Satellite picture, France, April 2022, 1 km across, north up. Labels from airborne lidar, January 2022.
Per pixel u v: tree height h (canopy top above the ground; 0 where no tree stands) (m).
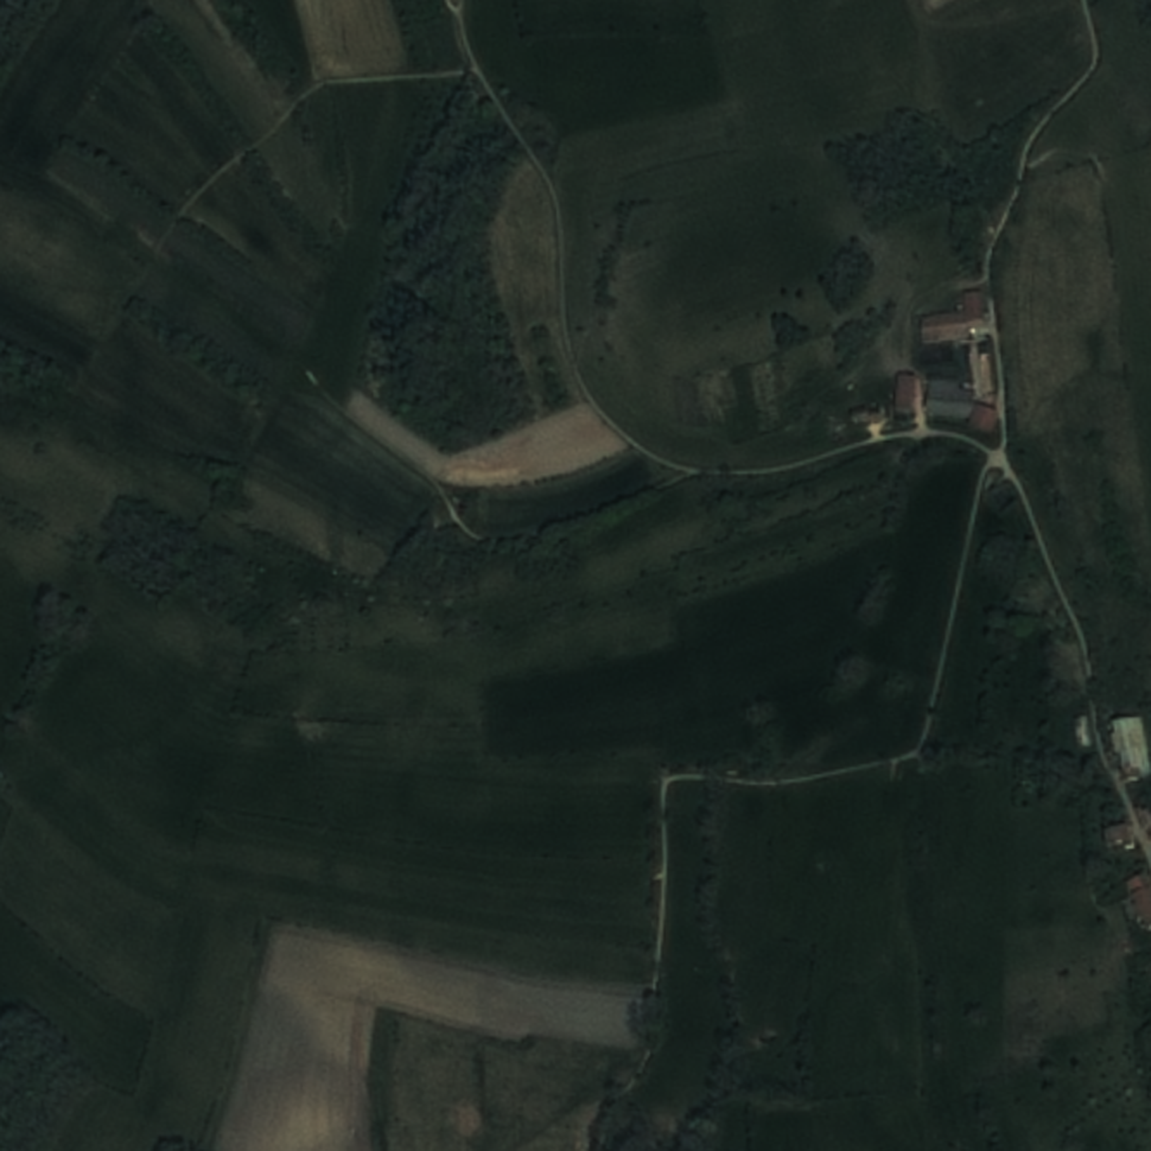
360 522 0
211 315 0
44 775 0
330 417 0
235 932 0
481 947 0
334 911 0
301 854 0
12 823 0
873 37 0
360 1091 0
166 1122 0
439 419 11
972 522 0
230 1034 0
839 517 0
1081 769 15
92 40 0
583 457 0
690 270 0
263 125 0
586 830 0
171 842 0
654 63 0
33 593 0
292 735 0
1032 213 0
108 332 0
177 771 0
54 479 0
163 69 0
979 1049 0
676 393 0
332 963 0
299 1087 0
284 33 0
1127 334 0
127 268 0
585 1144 0
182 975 0
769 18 0
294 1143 0
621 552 0
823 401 0
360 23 0
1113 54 0
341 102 0
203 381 0
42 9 15
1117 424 0
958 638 0
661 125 0
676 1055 0
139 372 0
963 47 0
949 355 0
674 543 0
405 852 0
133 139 0
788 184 0
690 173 0
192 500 0
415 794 0
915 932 0
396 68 0
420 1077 0
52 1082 19
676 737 0
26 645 0
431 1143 0
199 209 0
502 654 0
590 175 0
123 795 0
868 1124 0
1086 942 0
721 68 0
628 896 0
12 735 16
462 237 18
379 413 0
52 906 0
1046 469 0
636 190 0
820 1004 0
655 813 15
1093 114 0
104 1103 0
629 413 0
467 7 0
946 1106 0
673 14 0
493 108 13
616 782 0
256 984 0
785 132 0
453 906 0
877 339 9
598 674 0
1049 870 0
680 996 0
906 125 15
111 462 0
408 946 0
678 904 0
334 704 0
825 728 0
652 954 14
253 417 0
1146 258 0
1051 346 0
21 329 0
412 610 0
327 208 0
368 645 0
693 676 0
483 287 20
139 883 0
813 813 0
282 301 0
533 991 0
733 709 0
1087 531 0
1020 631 17
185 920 0
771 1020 0
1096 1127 0
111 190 0
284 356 0
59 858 0
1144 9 11
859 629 0
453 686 0
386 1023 0
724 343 0
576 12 0
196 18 0
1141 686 0
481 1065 0
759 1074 0
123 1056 0
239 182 0
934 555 0
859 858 0
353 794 0
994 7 0
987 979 0
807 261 0
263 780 0
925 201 12
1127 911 0
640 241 0
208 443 0
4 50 16
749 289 0
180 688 0
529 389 11
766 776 20
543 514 0
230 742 0
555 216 0
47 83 0
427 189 20
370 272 0
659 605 0
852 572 0
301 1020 0
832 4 0
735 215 0
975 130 0
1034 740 0
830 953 0
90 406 0
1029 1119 0
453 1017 0
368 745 0
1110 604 0
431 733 0
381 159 0
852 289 15
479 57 0
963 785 0
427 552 12
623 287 0
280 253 0
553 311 0
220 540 0
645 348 0
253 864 0
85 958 0
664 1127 0
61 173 0
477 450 0
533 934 0
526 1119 0
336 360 0
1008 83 0
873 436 0
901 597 0
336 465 0
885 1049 0
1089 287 0
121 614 0
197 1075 0
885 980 0
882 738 0
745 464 0
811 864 0
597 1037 0
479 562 12
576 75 0
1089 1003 0
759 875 0
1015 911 0
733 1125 0
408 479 0
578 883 0
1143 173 0
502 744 0
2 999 0
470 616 0
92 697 0
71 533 0
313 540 0
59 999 0
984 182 7
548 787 0
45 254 0
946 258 0
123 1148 0
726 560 0
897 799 0
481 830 0
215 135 0
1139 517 0
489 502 0
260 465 0
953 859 0
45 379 8
